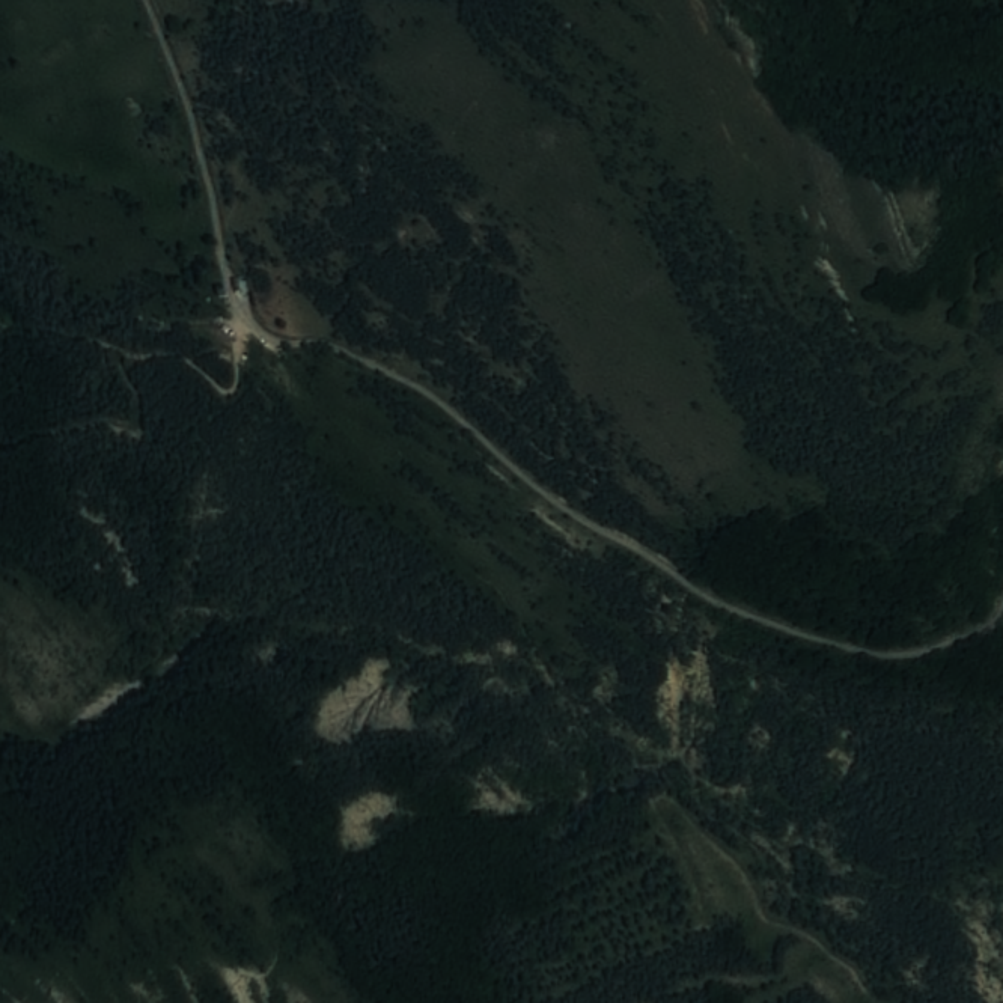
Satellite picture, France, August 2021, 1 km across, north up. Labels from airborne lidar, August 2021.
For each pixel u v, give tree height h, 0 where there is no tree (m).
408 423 6
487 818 15
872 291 14
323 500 8
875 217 0
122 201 11
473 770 10
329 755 13
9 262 8
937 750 15
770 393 9
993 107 16
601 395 0
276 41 9
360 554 11
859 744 8
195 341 7
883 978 8
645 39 0
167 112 7
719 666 7
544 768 14
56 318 15
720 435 0
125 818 15
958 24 23
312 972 0
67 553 8
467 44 0
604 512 11
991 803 14
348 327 11
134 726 19
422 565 11
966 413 11
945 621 11
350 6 9
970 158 18
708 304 8
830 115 14
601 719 10
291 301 0
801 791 11
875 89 24
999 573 9
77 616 0
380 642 8
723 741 14
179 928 9
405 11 0
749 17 8
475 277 9
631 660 9
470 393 8
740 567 19
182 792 14
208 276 21
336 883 22
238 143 6
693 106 0
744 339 6
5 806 16
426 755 14
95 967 0
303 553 7
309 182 6
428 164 8
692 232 8
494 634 7
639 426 0
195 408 7
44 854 18
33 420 18
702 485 8
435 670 15
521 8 8
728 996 15
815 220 0
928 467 12
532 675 6
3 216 17
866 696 11
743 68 0
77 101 0
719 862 0
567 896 15
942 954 8
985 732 8
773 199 0
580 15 0
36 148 0
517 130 0
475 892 16
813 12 25
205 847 0
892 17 17
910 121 11
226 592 11
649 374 0
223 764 16
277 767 15
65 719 0
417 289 10
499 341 9
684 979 15
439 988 20
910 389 6
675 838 0
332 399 0
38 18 0
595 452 10
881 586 24
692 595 7
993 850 14
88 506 8
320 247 7
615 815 14
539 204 0
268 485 10
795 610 15
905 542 10
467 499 0
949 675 17
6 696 0
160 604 13
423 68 0
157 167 0
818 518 18
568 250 0
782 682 7
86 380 9
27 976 0
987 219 19
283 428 11
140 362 8
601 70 0
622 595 10
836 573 19
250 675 15
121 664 7
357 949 18
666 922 8
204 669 19
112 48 0
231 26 8
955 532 20
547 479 11
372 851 9
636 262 0
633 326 0
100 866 18
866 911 8
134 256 0
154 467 15
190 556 9
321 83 8
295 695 18
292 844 11
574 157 0
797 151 0
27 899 12
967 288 13
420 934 22
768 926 0
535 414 8
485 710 10
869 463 11
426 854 17
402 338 7
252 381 6
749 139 0
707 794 11
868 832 12
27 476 19
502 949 17
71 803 23
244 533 14
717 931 6
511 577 0
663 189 9
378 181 10
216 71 7
